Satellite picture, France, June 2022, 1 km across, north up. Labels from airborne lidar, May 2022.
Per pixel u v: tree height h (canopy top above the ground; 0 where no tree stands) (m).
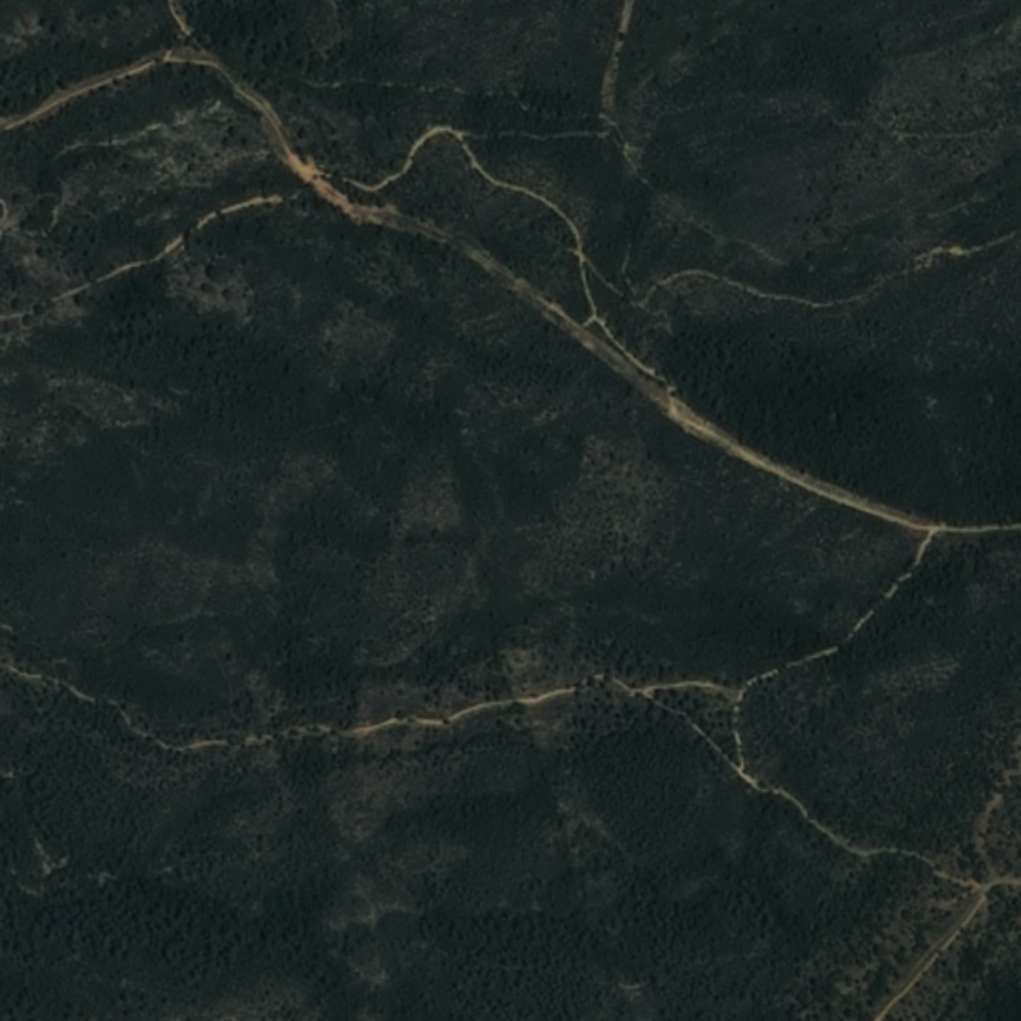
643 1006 0
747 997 14
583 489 0
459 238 0
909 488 6
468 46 0
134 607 7
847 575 0
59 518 0
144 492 0
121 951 15
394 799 0
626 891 8
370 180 9
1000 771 6
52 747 13
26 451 0
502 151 7
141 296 7
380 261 7
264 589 0
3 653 10
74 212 6
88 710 11
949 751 6
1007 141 0
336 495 0
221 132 0
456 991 10
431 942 11
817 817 7
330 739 9
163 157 0
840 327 8
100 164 7
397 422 6
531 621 8
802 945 9
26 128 6
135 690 6
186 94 8
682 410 0
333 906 6
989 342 6
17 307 10
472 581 0
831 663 8
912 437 7
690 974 12
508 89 11
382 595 0
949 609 10
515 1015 12
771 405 9
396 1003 7
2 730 11
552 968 12
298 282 7
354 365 0
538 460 0
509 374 9
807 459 6
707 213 0
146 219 0
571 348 7
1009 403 6
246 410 6
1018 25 0
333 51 7
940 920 6
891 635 9
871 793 6
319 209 7
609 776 10
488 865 6
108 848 12
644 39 7
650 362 7
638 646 6
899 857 6
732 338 6
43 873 6
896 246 0
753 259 0
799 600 0
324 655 7
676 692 9
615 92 0
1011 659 9
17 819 6
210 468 0
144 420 0
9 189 0
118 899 17
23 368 0
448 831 7
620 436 0
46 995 8
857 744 9
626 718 12
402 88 6
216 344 13
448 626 7
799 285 6
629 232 7
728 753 9
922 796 6
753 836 10
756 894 13
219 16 7
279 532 0
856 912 9
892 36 0
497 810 9
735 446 0
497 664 9
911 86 0
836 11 6
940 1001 6
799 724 8
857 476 8
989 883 11
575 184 6
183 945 16
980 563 7
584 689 7
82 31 0
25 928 7
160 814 6
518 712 8
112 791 9
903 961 8
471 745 9
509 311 0
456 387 0
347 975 8
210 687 0
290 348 6
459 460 7
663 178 8
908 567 9
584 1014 11
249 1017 0
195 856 11
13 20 0
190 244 9
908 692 9
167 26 5
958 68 0
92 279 10
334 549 6
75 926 19
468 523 0
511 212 8
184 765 7
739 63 6
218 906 6
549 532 0
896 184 0
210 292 9
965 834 7
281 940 5
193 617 0
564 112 11
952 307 7
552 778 8
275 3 11
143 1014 11
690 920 15
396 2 0
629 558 8
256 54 17
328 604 0
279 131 0
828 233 8
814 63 5
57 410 0
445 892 14
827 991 9
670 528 0
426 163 6
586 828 7
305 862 7
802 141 0
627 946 8
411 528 0
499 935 14
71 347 6
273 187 9
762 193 0
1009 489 6
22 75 15
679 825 7
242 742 10
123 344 13
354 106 7
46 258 12
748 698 8
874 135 0
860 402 9
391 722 0
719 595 6
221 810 9
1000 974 8
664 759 11
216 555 0
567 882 7
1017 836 6
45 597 0
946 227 0
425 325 7
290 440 8
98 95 17
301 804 8
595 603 9
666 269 0
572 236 6
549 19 0
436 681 10
